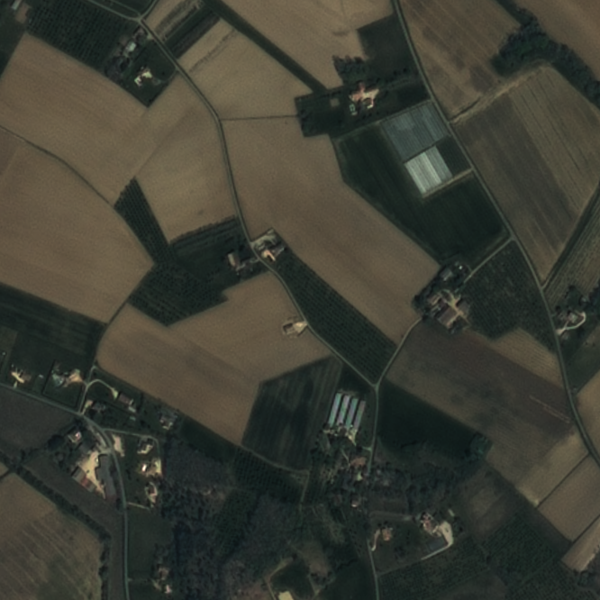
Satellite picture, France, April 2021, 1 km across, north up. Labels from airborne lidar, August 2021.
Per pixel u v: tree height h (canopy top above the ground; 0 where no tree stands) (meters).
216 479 16
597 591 11
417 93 0
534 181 0
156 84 0
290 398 0
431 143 0
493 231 0
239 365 0
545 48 20
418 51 0
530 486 0
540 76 0
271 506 16
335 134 0
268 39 0
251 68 0
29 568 0
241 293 0
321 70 0
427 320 12
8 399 0
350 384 0
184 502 11
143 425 10
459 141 0
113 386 0
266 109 0
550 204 0
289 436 0
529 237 0
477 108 0
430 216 0
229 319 0
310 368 0
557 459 0
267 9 0
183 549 14
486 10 0
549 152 0
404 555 12
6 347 0
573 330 0
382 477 10
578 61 19
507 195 0
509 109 0
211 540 12
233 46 0
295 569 0
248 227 0
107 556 11
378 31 0
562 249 0
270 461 0
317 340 0
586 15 0
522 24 0
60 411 0
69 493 0
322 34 0
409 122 0
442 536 0
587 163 0
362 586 0
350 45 0
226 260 10
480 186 0
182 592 9
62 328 0
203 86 0
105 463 0
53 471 0
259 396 0
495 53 0
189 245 10
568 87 0
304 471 0
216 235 10
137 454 0
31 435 0
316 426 0
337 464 7
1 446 0
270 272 0
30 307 0
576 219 0
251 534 15
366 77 14
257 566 15
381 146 0
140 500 6
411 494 10
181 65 0
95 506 0
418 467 0
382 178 0
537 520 0
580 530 0
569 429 0
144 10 0
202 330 0
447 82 0
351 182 0
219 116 0
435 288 8
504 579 16
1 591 0
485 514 0
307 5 0
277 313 0
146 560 0
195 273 0
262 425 0
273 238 0
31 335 0
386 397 0
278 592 0
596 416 0
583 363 0
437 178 0
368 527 11
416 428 0
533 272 0
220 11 0
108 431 0
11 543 0
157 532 0
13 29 0
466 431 0
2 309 0
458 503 0
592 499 0
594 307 14
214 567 7
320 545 0
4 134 0
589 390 0
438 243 0
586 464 0
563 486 0
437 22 0
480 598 0
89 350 0
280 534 15
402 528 6
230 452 0
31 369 0
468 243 0
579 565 0
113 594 0
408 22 0
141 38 12
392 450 0
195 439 0
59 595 0
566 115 0
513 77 0
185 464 20
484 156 0
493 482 0
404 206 0
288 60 0
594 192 0
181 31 0
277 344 0
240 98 0
